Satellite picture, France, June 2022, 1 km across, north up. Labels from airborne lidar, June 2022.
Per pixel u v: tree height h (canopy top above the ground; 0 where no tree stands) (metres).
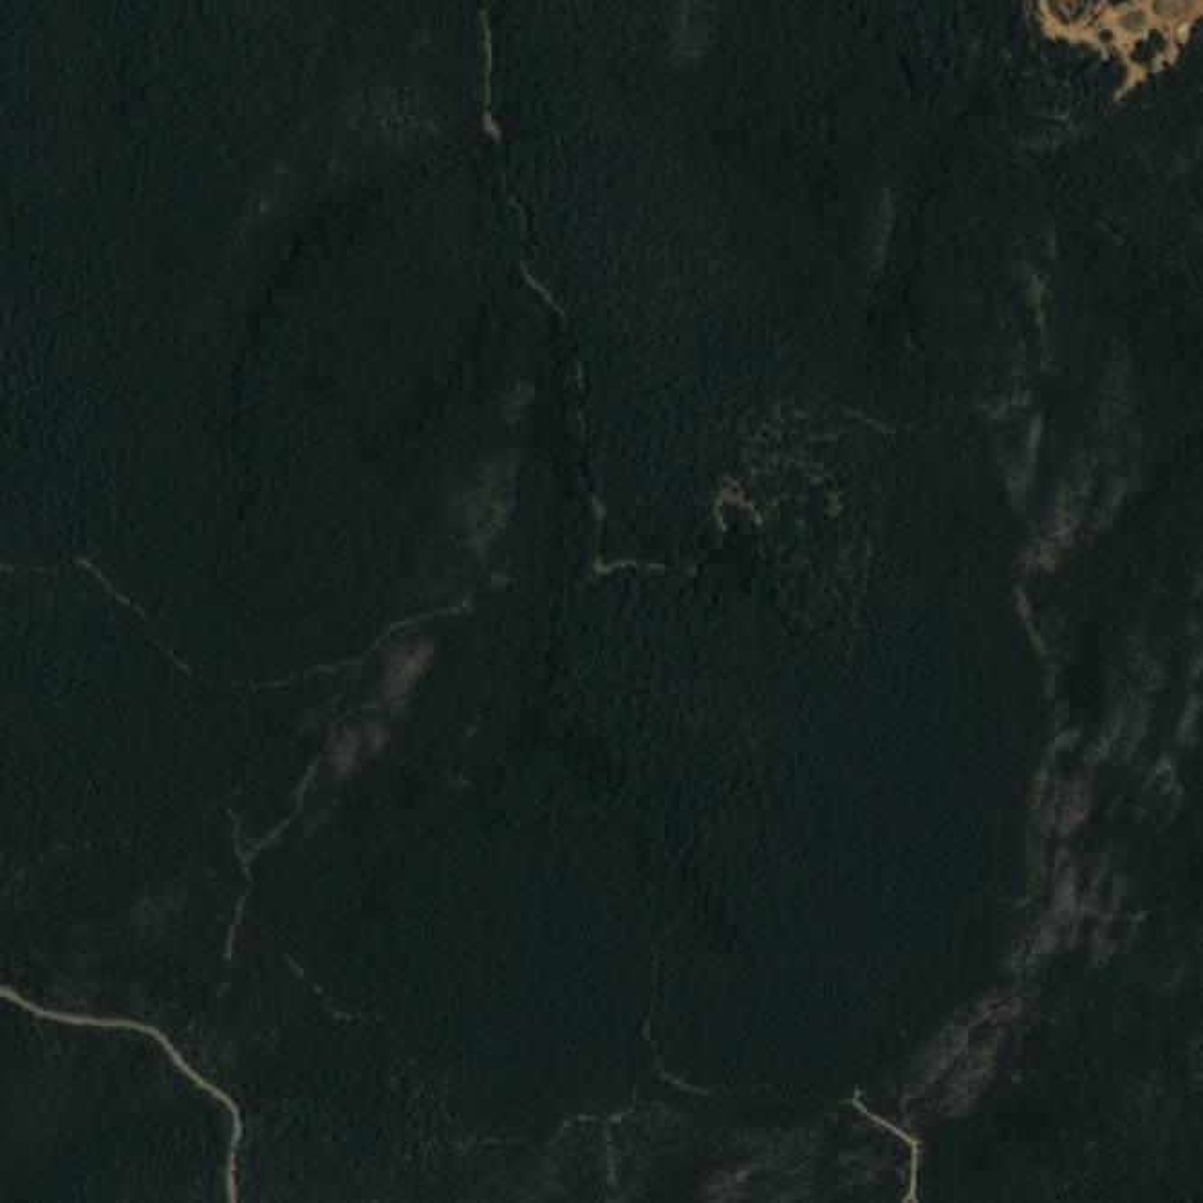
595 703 12
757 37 10
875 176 6
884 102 8
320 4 9
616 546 10
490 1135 7
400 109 6
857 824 9
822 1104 7
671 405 10
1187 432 8
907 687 11
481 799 8
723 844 11
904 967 9
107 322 9
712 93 8
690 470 8
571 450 16
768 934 9
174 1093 6
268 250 7
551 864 11
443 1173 8
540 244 11
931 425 7
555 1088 9
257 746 7
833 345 6
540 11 9
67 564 10
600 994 8
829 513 8
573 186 13
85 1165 8
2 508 10
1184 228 7
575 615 8
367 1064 9
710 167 9
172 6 7
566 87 12
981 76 9
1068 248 10
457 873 9
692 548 7
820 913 10
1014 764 9
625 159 10
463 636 6
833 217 6
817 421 7
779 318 8
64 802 10
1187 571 6
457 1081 6
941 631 10
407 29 7
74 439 9
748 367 7
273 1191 7
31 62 10
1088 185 13
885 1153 7
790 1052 9
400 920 11
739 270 7
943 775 11
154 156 10
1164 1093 10
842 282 5
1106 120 10
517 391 7
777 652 12
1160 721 12
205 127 9
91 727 7
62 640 6
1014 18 6
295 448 10
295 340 6
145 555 6
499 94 7
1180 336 9
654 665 7
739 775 7
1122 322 9
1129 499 8
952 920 11
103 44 8
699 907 7
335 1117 8
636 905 9
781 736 9
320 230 6
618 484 14
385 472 7
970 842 9
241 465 5
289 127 8
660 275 7
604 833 11
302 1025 6
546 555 6
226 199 5
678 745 11
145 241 7
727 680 9
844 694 11
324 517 6
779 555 7
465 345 14
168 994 9
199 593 7
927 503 6
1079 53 13
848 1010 9
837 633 8
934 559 5
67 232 7
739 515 7
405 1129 11
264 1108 10
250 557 7
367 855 9
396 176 11
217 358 6
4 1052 6
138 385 7
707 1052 8
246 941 7
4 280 10
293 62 9
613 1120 6
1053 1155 5
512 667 5
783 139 10
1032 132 8
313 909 6
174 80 7
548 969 10
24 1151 6
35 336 10
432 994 9
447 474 7
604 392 13
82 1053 8
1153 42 9
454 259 8
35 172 7
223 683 5
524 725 8
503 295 10
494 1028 11
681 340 10
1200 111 9
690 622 12
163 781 7
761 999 9
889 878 11
